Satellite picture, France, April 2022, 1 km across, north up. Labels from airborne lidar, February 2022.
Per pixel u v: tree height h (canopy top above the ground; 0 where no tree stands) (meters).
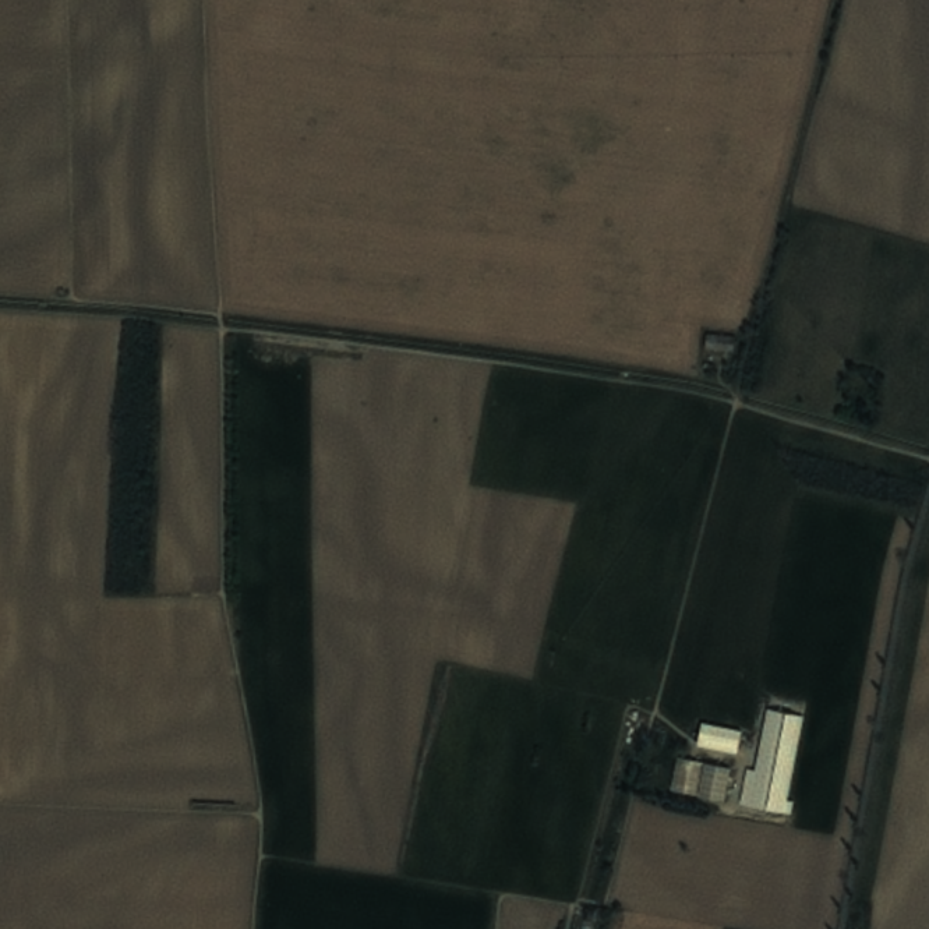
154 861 0
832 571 0
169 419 0
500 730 0
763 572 0
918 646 0
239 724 0
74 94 0
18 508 0
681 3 0
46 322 0
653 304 0
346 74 0
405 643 0
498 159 0
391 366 0
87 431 0
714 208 0
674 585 0
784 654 0
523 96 0
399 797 0
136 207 0
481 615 0
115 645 0
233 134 0
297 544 0
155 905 0
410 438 0
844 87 0
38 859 0
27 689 0
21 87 0
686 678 0
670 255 0
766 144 0
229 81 0
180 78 0
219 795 0
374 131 0
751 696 0
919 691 0
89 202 0
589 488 0
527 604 0
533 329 0
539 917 0
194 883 0
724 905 0
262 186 0
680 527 0
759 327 7
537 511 0
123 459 6
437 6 0
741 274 0
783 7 0
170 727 0
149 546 10
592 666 0
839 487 8
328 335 0
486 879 0
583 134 0
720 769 0
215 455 0
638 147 0
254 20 0
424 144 0
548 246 0
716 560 0
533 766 0
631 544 0
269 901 0
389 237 0
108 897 0
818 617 0
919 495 9
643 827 0
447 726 0
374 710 0
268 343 0
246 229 0
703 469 0
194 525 0
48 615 0
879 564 0
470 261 0
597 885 0
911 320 0
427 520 0
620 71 0
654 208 0
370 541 0
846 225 0
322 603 0
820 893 0
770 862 0
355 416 0
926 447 0
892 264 0
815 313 0
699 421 0
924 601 0
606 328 0
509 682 0
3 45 0
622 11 0
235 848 0
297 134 0
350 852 0
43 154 0
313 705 0
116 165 0
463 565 0
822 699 0
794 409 0
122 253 0
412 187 0
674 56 0
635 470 0
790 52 0
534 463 0
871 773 0
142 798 0
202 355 0
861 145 0
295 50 0
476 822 0
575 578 0
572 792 0
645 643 0
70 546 0
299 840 0
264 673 0
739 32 0
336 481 0
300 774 0
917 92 0
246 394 0
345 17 0
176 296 0
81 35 0
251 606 0
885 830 0
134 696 0
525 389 0
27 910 0
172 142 0
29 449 0
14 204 0
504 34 0
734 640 0
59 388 0
